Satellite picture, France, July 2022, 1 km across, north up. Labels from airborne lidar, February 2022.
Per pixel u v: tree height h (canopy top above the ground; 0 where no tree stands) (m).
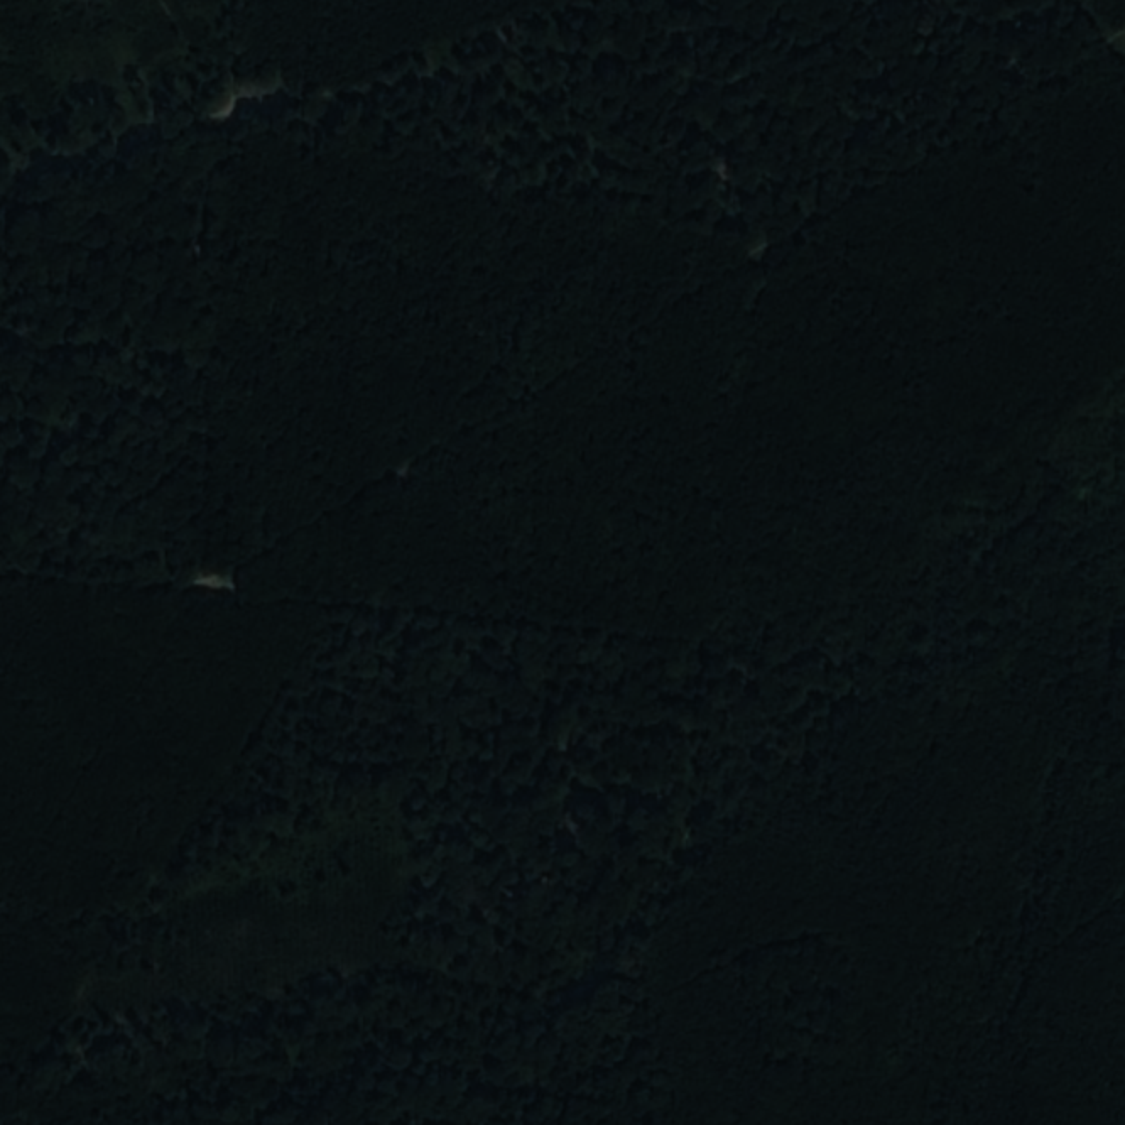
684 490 23
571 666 14
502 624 33
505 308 17
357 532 21
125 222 32
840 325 8
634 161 22
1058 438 14
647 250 17
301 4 18
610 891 39
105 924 16
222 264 23
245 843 34
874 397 13
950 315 14
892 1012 17
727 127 36
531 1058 32
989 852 18
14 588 14
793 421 11
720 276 15
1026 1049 16
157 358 33
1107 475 20
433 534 19
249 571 25
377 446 18
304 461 25
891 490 15
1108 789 15
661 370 18
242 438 23
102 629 18
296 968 0
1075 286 16
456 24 21
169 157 29
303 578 17
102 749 13
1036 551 28
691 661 21
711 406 17
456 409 23
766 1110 17
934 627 21
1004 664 16
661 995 20
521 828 38
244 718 17
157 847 17
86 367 31
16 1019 9
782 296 10
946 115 25
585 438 27
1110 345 15
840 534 13
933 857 16
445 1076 37
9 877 13
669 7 24
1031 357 15
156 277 29
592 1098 24
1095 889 16
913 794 19
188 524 34
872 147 24
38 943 17
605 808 38
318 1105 39
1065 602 29
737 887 16
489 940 27
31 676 12
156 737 17
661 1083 20
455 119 28
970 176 16
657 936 17
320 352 20
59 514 30
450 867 34
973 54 33
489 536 17
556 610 25
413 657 30
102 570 21
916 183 17
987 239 17
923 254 15
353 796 31
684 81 27
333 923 0
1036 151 26
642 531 26
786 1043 20
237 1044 37
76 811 14
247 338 22
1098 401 9
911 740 23
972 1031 20
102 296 34
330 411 22
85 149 0
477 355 20
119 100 30
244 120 23
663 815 36
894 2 31
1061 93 16
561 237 25
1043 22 26
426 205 23
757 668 26
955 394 15
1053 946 13
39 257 37
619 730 15
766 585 25
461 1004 21
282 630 19
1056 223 18
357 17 18
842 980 20
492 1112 13
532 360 29
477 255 18
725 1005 19
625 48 19
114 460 32
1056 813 21
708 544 22
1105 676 25
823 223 16
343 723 27
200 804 15
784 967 19
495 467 26
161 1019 8
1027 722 17
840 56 31
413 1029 26
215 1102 32
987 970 16
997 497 26
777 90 31
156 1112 27
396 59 24
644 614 25
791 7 31
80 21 7
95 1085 34
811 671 32
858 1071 14
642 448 23
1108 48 23
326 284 27
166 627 16
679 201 29
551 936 36
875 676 31
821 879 16
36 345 17
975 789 18
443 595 22
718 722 20
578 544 26
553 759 28
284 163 25
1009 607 26
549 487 26
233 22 18
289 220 25
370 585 20
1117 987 19
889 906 18
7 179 32
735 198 30
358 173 22
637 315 21
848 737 30
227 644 19
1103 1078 21
